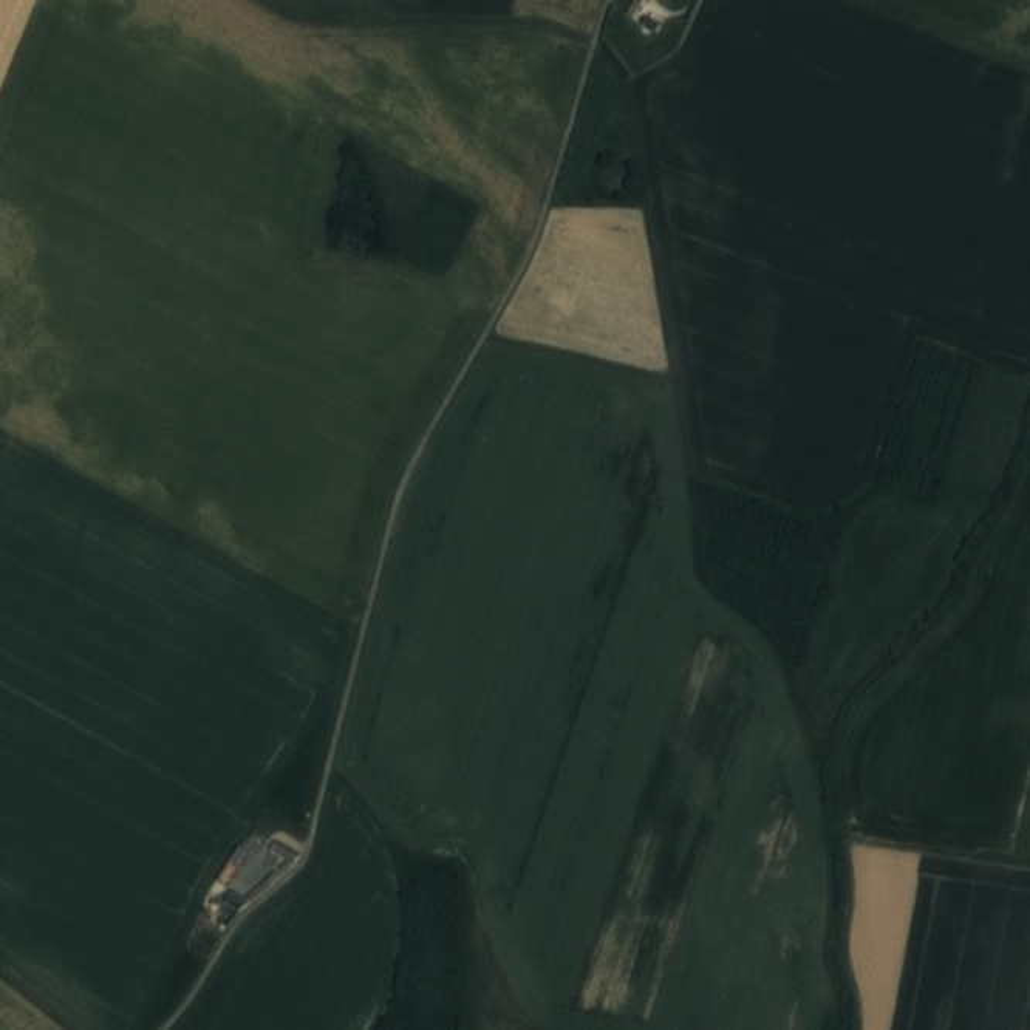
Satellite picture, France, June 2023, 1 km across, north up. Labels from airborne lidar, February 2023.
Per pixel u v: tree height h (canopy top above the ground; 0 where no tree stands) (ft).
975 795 0
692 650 0
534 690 0
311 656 0
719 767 0
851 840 0
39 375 0
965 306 0
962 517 0
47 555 0
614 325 0
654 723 0
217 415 0
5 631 0
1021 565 0
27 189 0
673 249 0
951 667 0
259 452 0
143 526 0
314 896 0
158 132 0
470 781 0
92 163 0
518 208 0
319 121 0
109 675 0
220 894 0
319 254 0
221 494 0
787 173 0
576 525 0
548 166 0
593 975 0
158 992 0
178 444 0
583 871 0
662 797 0
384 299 0
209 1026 0
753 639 0
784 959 0
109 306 0
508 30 0
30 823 0
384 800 0
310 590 0
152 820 0
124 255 0
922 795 0
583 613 0
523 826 0
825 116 0
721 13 0
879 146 0
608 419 0
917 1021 0
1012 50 0
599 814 0
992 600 0
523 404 0
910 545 0
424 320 0
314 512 0
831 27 0
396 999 21
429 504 0
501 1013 0
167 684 0
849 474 0
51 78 0
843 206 0
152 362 0
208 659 0
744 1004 0
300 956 0
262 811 0
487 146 0
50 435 0
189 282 0
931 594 0
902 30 0
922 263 0
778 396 0
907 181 0
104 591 0
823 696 0
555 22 0
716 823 0
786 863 0
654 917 0
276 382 0
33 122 0
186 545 0
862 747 0
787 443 0
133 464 0
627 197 44
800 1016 0
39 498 0
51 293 0
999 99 0
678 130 0
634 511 0
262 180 0
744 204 0
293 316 0
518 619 0
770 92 0
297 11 0
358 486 0
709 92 0
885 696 0
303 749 0
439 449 0
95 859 0
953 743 0
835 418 0
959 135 0
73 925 0
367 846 0
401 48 0
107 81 0
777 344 0
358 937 0
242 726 0
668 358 0
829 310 0
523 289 0
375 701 0
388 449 0
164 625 0
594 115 0
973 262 0
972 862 0
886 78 0
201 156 0
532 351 0
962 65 0
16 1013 0
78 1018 0
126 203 0
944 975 0
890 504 0
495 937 0
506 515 0
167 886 0
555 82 0
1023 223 0
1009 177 0
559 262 0
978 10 0
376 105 0
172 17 0
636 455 0
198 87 0
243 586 0
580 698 0
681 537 0
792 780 0
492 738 0
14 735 0
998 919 0
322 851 0
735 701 0
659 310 0
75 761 0
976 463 0
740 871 0
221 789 0
